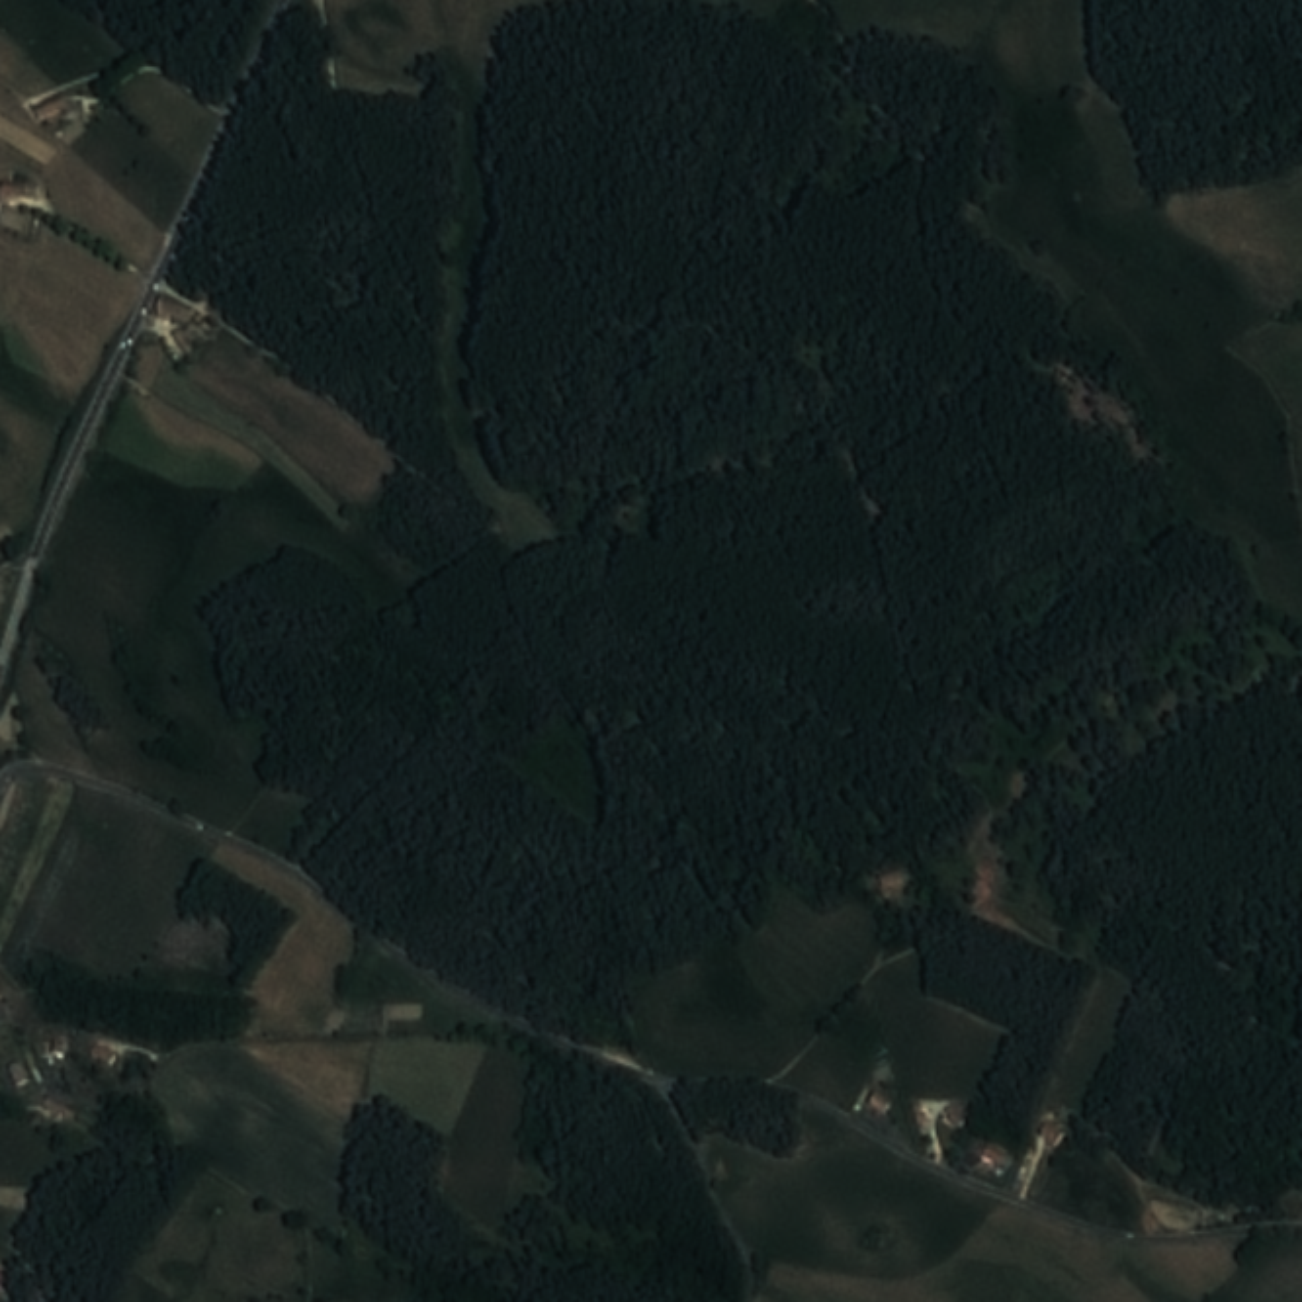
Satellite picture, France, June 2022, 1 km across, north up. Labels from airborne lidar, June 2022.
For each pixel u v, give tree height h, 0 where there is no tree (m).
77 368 0
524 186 27
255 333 18
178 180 0
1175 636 12
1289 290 0
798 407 25
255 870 0
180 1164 28
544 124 22
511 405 26
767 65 25
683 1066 0
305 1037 0
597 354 30
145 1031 11
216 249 29
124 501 0
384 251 24
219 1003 10
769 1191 0
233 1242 0
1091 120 0
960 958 20
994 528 26
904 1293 0
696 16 18
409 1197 24
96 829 0
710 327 28
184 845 0
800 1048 0
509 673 20
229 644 17
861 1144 0
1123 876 16
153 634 0
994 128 17
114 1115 15
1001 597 18
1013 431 33
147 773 0
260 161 26
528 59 27
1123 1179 0
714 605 21
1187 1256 0
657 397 33
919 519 25
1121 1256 0
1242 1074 18
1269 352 0
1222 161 14
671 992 0
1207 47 21
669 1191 16
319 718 15
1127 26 23
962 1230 0
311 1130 0
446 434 17
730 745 17
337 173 18
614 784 27
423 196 23
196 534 0
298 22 27
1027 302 30
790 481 13
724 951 0
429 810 22
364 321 25
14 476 0
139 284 0
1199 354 0
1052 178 0
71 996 13
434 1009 0
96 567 0
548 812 25
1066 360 24
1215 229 0
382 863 24
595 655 21
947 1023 0
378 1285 0
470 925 24
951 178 28
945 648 31
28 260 0
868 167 10
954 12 0
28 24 0
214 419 0
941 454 25
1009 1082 19
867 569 22
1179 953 31
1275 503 0
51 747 0
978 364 24
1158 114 24
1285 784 30
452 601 26
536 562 25
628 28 23
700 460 39
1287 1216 9
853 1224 0
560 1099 16
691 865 27
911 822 25
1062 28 0
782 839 22
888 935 6
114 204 0
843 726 24
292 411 0
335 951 0
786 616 21
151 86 0
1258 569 0
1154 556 23
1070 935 12
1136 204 0
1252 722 30
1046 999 23
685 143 24
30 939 0
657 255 24
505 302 34
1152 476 21
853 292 29
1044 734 7
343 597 19
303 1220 16
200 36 30
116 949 0
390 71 0
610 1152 16
